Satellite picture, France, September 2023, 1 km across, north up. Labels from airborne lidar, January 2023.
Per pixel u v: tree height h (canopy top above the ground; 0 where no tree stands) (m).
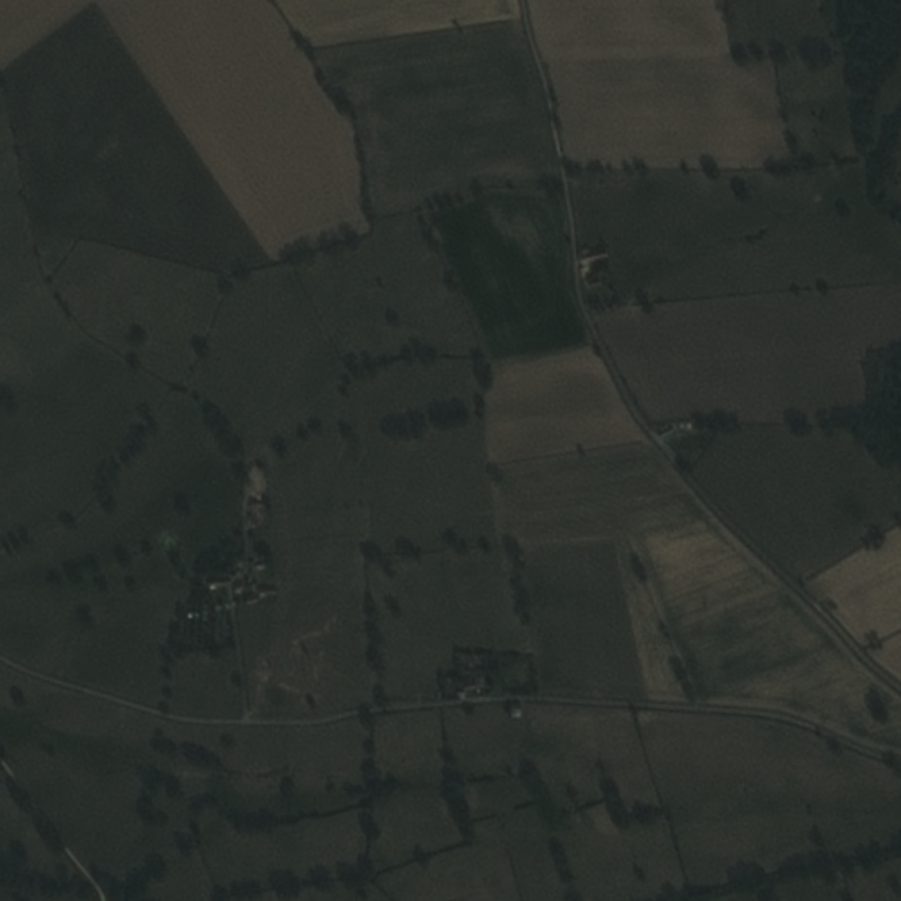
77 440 0
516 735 0
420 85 0
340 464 0
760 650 0
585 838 0
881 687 0
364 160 11
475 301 0
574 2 0
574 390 0
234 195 0
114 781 0
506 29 0
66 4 0
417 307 0
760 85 0
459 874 0
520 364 0
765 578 0
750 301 0
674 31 0
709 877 0
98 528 0
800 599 0
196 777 0
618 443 0
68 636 0
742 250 0
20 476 0
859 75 23
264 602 0
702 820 0
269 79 0
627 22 0
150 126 0
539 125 0
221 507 0
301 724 0
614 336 0
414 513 0
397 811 0
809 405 0
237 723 0
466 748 0
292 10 0
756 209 0
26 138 0
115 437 0
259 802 0
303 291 0
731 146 0
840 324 0
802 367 0
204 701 0
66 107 0
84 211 0
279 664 0
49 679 0
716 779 0
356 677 0
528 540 0
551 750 0
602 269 12
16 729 0
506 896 0
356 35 0
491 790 0
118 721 0
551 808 28
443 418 18
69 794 0
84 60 0
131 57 0
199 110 0
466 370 0
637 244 0
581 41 0
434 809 0
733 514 0
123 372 0
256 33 0
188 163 0
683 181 0
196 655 0
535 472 0
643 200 0
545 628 0
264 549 12
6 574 0
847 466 0
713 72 0
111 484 11
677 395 0
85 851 0
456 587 0
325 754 0
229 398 0
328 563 0
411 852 0
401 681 0
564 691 0
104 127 0
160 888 0
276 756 0
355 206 0
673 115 0
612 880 0
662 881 0
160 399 0
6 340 0
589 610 0
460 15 0
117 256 0
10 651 0
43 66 0
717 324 0
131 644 0
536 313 0
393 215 0
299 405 0
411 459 0
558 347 0
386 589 0
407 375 0
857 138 16
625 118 0
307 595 0
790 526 0
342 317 0
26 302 0
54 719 0
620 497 0
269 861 0
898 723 0
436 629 0
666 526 0
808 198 0
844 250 0
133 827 0
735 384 0
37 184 0
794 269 0
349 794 18
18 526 0
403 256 0
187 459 0
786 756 0
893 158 7
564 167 15
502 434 0
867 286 0
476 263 0
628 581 0
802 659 0
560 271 0
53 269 0
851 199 0
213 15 0
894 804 0
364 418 0
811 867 14
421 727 0
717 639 0
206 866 0
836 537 0
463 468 0
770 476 0
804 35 0
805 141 0
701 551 0
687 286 0
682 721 0
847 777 0
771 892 11
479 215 0
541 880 0
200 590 12
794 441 0
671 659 0
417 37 0
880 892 0
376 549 15
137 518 0
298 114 0
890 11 21
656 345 0
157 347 0
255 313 0
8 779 0
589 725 0
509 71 0
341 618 0
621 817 20
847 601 0
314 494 0
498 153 0
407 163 0
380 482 0
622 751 0
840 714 10
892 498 0
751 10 0
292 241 0
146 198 0
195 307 0
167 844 0
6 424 0
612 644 0
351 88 0
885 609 0
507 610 0
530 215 0
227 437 16
